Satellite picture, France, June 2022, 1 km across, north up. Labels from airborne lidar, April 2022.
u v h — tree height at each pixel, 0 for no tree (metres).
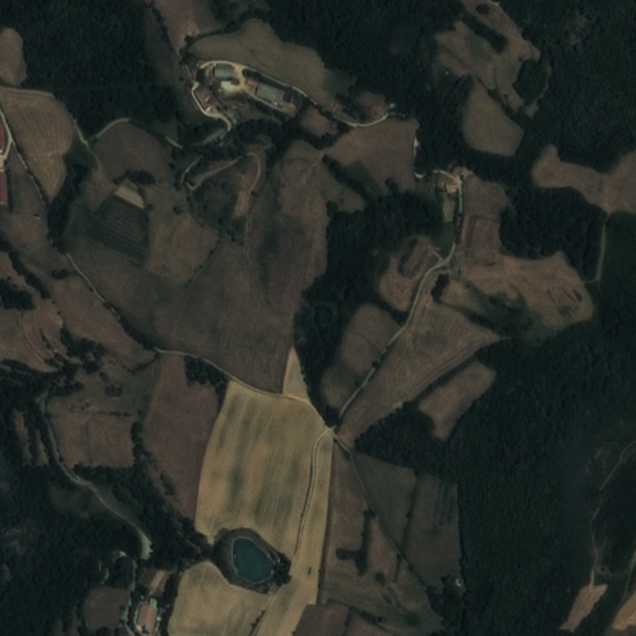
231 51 0
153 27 0
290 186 0
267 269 0
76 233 0
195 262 0
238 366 0
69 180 8
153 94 22
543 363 7
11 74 0
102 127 10
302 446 0
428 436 14
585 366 11
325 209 0
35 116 0
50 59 17
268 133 7
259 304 0
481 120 0
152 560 9
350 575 0
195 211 0
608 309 9
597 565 0
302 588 0
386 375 0
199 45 0
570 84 7
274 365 0
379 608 0
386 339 0
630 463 6
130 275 0
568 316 0
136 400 0
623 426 0
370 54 9
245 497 0
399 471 0
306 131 17
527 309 0
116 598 0
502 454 10
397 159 0
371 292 11
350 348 0
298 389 0
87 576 9
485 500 18
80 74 15
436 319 0
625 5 20
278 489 0
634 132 16
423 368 0
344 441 0
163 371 0
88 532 19
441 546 0
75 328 0
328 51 10
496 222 0
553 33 16
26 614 13
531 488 16
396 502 0
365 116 8
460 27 0
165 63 0
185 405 0
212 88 7
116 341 0
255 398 0
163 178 0
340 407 0
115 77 14
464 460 18
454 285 0
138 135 0
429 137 12
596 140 18
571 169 0
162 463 0
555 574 12
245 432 0
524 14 12
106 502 0
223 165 0
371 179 0
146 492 13
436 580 0
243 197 0
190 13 0
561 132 10
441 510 0
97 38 20
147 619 0
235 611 0
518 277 0
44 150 0
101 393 0
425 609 0
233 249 0
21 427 0
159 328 0
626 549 8
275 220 0
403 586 0
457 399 0
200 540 9
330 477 0
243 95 0
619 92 17
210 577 0
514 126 0
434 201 0
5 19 19
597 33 20
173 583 16
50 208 8
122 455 0
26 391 16
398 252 0
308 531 0
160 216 0
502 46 7
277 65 0
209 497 0
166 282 0
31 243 0
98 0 23
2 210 0
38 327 0
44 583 12
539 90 9
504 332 8
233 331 0
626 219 0
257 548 0
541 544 15
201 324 0
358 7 13
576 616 0
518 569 18
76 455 0
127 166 0
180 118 14
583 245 16
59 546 15
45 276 0
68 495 0
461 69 0
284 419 0
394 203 18
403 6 20
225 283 0
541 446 8
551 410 12
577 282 0
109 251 0
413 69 14
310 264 0
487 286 0
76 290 0
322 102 0
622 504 8
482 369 0
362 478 0
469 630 14
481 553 18
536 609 14
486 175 16
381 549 0
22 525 6
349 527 0
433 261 0
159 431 0
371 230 16
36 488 14
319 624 0
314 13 18
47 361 9
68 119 0
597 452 0
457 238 6
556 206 13
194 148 10
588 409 6
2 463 7
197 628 0
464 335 0
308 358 8
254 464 0
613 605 9
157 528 12
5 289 12
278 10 12
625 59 18
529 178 12
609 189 0
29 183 0
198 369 7
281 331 0
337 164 9
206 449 0
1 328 0
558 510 7
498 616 16
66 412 0
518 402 12
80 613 11
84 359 18
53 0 23
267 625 0
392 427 11
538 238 18
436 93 11
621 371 11
